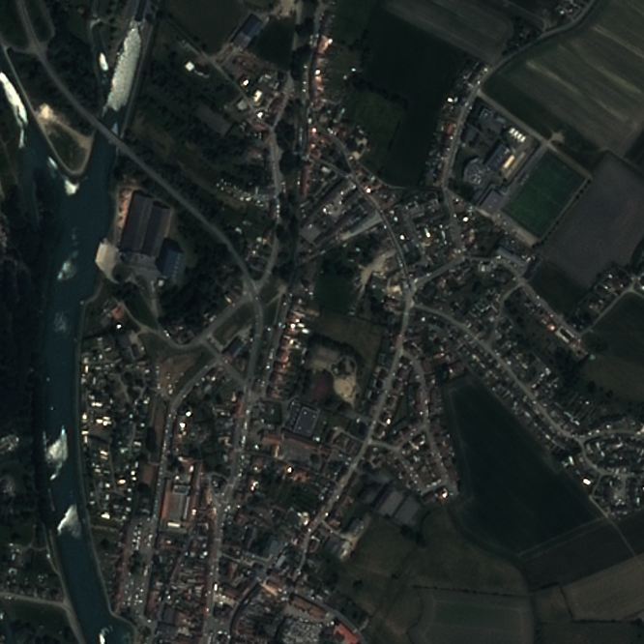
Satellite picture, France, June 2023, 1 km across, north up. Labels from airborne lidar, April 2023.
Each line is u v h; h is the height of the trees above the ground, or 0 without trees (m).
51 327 0
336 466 8
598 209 0
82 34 0
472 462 0
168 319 11
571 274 0
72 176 0
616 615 0
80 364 7
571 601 0
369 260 7
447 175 0
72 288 0
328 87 0
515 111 0
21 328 32
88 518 0
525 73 0
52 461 0
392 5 0
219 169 0
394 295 0
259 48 0
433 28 0
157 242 0
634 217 0
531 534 0
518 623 0
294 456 0
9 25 0
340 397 0
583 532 0
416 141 0
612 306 0
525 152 0
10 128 0
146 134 0
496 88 0
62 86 0
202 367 0
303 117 0
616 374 0
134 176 15
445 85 0
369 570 0
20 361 29
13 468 0
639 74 0
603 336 0
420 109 0
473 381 0
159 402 0
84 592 0
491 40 0
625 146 0
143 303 0
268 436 0
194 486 0
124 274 0
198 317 9
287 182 0
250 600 0
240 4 0
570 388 7
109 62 0
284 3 0
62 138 0
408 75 0
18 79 0
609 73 0
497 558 0
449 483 0
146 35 0
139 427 7
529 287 0
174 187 10
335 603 0
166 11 0
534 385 0
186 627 0
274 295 0
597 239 0
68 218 0
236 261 0
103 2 0
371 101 0
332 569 0
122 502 10
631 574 0
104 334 10
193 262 0
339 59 0
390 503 0
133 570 10
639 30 0
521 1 0
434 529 0
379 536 0
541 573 0
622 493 0
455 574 0
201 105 0
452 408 0
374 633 0
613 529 0
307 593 0
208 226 0
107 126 0
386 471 0
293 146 0
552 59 0
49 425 0
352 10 0
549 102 0
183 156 0
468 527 0
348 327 0
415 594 0
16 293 0
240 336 0
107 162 0
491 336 0
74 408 0
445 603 0
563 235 0
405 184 0
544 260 0
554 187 0
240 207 0
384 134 0
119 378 0
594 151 0
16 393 26
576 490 0
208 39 0
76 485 0
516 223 0
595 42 0
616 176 0
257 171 8
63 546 0
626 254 0
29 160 0
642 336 0
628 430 0
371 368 0
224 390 0
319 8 0
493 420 0
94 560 0
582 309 0
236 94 0
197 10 0
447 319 0
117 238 0
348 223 0
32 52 0
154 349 0
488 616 0
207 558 0
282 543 0
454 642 0
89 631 0
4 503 8
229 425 0
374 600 0
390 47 0
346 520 0
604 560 0
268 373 0
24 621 0
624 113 0
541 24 0
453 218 0
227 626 0
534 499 0
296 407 0
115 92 0
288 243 0
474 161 0
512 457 0
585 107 0
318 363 0
